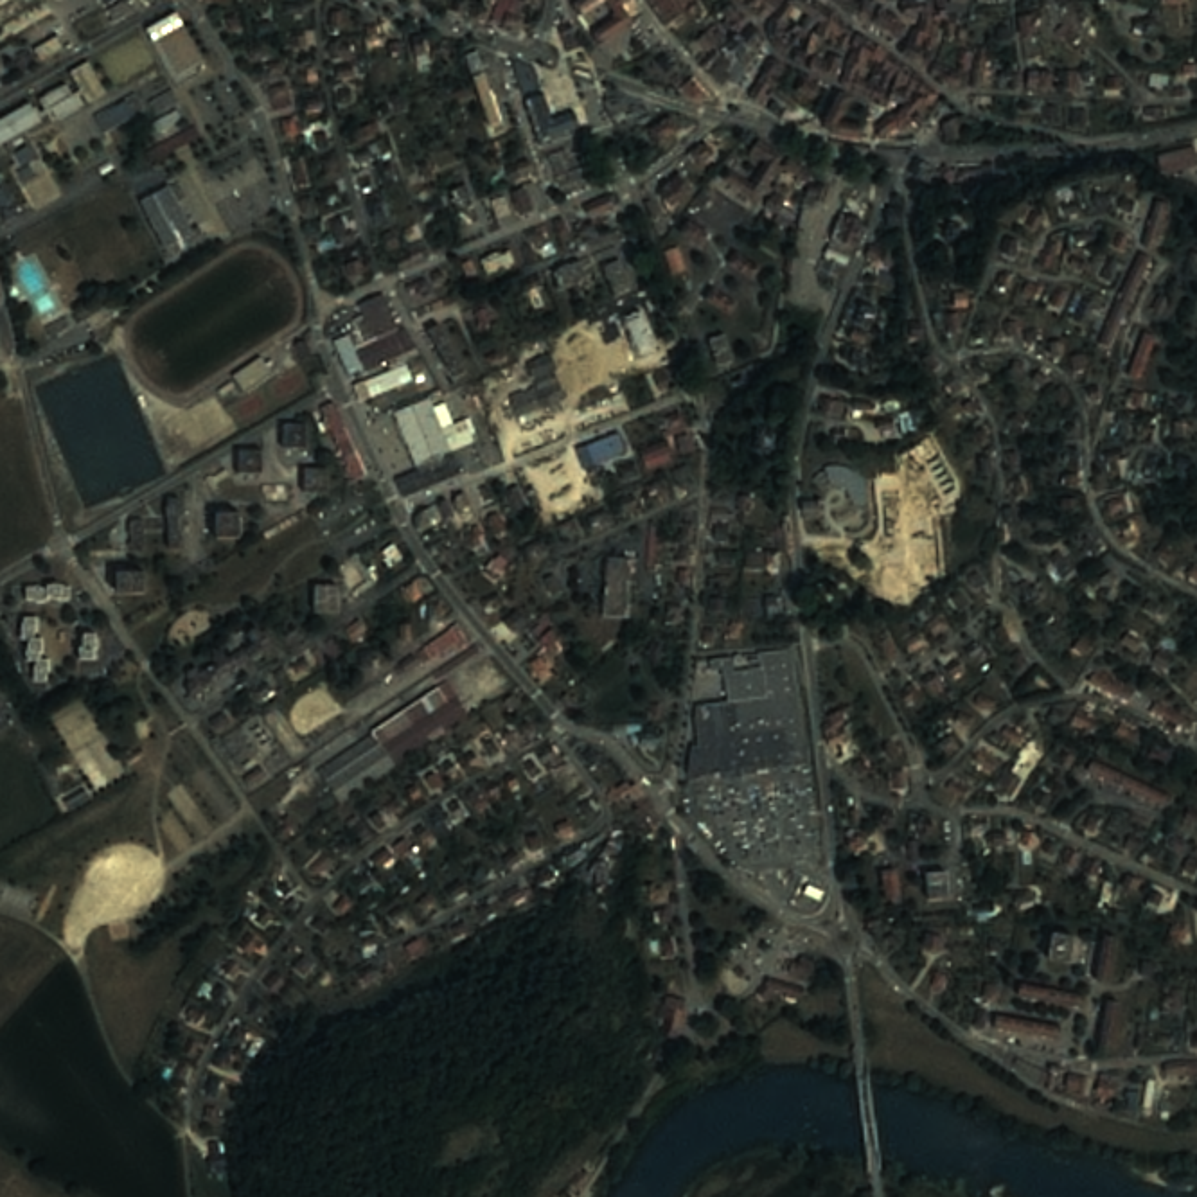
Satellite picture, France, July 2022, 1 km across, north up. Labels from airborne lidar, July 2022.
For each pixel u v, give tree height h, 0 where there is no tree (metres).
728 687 0
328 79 7
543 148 0
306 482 0
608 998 14
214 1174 0
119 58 0
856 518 0
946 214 20
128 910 0
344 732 0
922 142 0
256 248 0
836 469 0
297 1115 19
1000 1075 12
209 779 0
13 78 11
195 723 0
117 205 0
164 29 0
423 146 5
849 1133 0
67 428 0
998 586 0
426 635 0
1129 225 0
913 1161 0
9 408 0
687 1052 26
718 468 6
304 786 0
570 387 0
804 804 0
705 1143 0
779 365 13
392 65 0
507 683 0
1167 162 0
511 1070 16
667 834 7
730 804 0
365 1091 19
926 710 7
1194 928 0
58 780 0
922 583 0
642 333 0
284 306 0
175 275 15
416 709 0
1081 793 12
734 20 0
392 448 0
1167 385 15
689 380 30
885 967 0
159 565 10
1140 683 10
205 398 0
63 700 14
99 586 0
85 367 0
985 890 9
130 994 0
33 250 0
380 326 0
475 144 13
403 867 6
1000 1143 0
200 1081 0
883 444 8
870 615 19
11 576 0
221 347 0
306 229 7
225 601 0
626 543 0
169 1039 12
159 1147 0
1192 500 6
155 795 0
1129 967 6
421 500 0
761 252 0
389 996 0
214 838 0
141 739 0
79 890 0
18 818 0
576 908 6
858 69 0
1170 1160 10
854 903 20
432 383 0
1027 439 12
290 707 0
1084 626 6
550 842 0
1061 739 13
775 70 0
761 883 0
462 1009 17
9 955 0
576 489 0
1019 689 8
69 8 0
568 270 0
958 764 0
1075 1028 7
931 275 18
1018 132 11
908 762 0
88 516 0
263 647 0
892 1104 0
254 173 0
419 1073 19
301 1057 18
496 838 9
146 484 0
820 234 0
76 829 0
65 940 0
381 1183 10
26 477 0
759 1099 0
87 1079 0
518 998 13
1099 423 0
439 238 8
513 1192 12
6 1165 0
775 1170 0
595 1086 14
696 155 0
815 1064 7
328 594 0
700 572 0
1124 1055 0
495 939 8
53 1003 0
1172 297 11
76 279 0
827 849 0
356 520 0
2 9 0
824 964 6
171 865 0
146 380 0
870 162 14
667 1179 0
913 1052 0
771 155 0
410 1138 10
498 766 0
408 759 9
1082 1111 0
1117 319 0
